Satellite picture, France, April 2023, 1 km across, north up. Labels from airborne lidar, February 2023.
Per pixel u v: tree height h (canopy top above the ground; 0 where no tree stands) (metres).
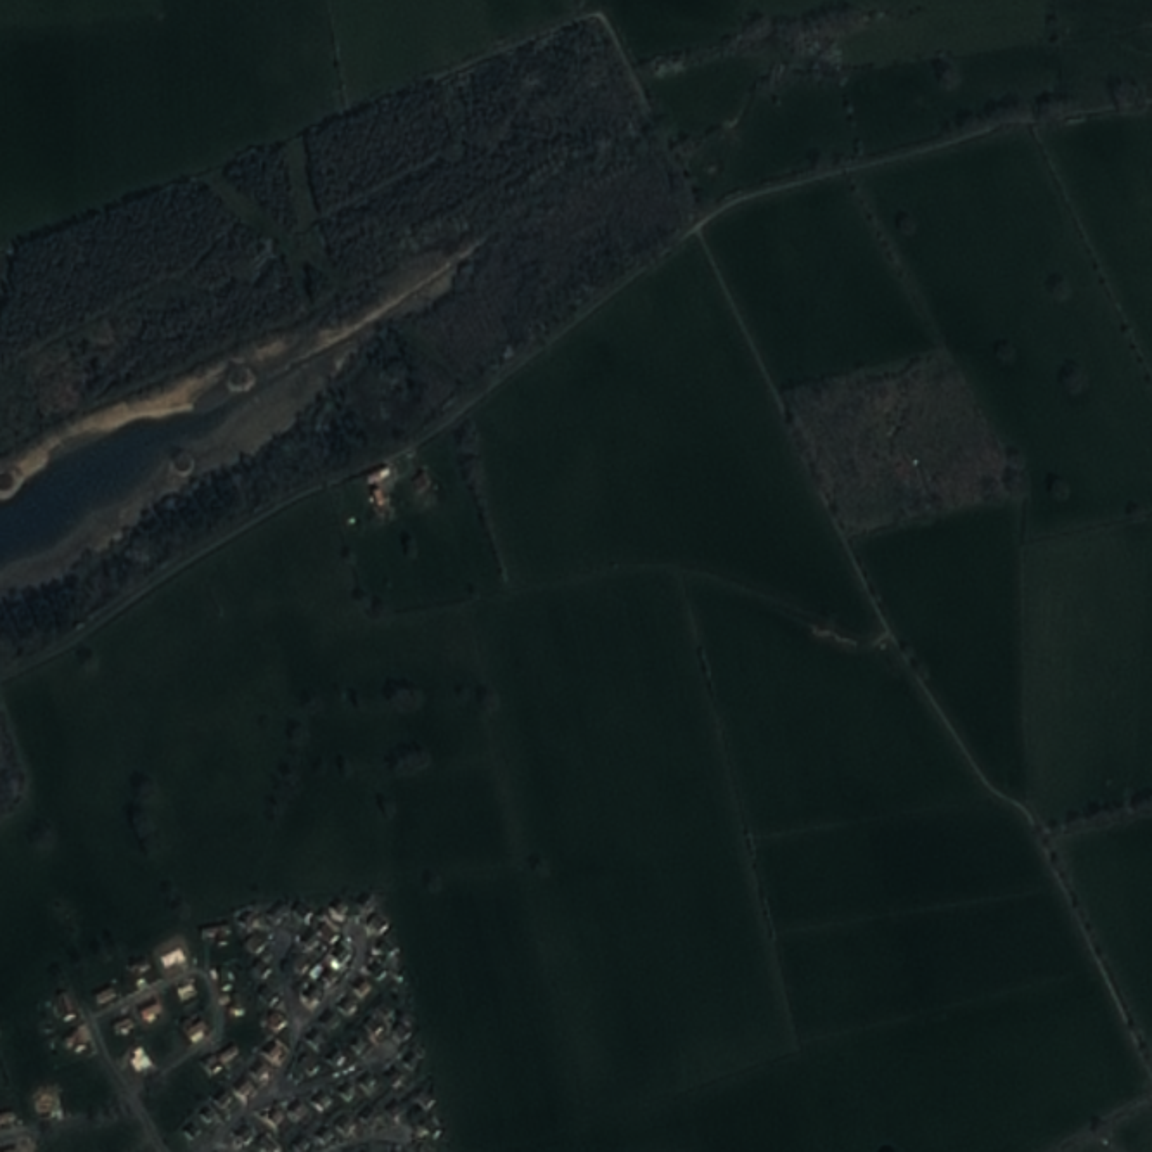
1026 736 0
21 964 0
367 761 0
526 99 8
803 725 0
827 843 0
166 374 16
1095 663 0
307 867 0
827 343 0
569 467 0
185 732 0
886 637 0
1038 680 0
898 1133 0
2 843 0
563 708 0
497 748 0
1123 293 0
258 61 0
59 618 20
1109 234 0
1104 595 0
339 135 12
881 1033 0
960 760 0
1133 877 0
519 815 0
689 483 0
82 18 0
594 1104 0
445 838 0
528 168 13
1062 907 0
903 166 0
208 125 0
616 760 0
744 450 0
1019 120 17
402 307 0
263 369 0
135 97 0
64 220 0
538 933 0
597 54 6
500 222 14
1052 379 0
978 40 0
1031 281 0
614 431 0
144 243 15
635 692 0
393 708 17
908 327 0
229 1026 0
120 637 0
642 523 0
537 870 15
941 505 16
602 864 0
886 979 0
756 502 0
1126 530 0
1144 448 0
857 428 13
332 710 0
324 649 0
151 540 14
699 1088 0
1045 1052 0
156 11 0
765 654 0
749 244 0
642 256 16
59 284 13
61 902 0
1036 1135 0
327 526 0
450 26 0
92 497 0
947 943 0
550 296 11
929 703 0
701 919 0
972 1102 0
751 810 0
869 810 0
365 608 12
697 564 0
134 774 0
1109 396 0
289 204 14
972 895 0
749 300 0
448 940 0
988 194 0
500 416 0
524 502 0
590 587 0
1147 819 14
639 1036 0
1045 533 0
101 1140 0
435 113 13
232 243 11
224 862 0
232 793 0
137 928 0
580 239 15
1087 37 0
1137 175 0
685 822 0
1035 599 0
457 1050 0
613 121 9
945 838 0
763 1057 0
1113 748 0
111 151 0
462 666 0
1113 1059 0
